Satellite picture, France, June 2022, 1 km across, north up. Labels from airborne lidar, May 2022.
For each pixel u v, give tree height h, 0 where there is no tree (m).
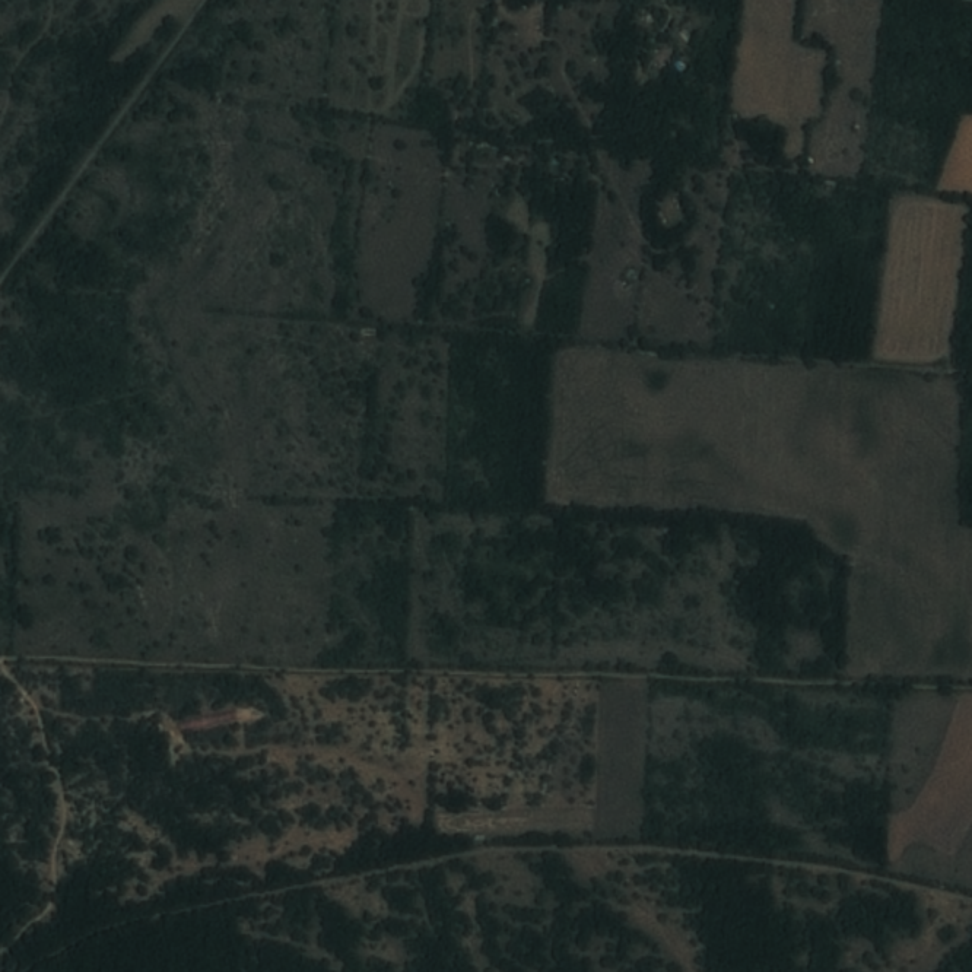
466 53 0
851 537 0
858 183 7
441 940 9
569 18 0
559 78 0
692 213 6
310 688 0
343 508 7
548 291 5
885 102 6
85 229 0
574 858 0
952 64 9
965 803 0
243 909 9
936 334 0
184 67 6
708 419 0
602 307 0
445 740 0
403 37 0
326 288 0
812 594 8
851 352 9
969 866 0
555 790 0
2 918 11
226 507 0
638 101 12
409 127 6
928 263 0
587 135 10
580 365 0
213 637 0
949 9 12
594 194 9
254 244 0
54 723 8
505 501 9
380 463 7
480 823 0
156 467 6
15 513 6
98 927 8
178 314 0
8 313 7
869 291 6
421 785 0
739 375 0
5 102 0
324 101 8
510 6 8
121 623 7
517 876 0
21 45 9
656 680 6
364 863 9
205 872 12
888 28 7
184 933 14
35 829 9
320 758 0
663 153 11
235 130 0
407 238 0
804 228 7
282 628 0
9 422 7
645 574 7
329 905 8
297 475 5
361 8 0
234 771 9
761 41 0
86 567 0
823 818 9
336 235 9
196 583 0
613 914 8
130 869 7
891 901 6
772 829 6
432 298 8
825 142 0
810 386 0
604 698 0
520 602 9
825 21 0
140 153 0
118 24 12
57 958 10
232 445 0
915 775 0
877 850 10
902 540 0
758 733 0
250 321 0
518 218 0
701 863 9
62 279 9
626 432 0
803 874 7
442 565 0
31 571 0
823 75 9
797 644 0
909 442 0
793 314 7
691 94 9
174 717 6
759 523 12
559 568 10
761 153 8
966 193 11
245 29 11
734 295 7
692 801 9
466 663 8
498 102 0
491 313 7
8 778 15
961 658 0
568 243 9
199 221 0
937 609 0
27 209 11
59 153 7
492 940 7
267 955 11
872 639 0
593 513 10
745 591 10
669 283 0
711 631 0
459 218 0
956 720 0
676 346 9
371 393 9
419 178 0
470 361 7
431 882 9
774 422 0
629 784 0
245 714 0
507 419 5
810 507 0
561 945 7
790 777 6
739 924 15
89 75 11
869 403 0
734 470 0
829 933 10
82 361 8
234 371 0
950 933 6
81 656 0
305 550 0
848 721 9
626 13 7
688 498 0
